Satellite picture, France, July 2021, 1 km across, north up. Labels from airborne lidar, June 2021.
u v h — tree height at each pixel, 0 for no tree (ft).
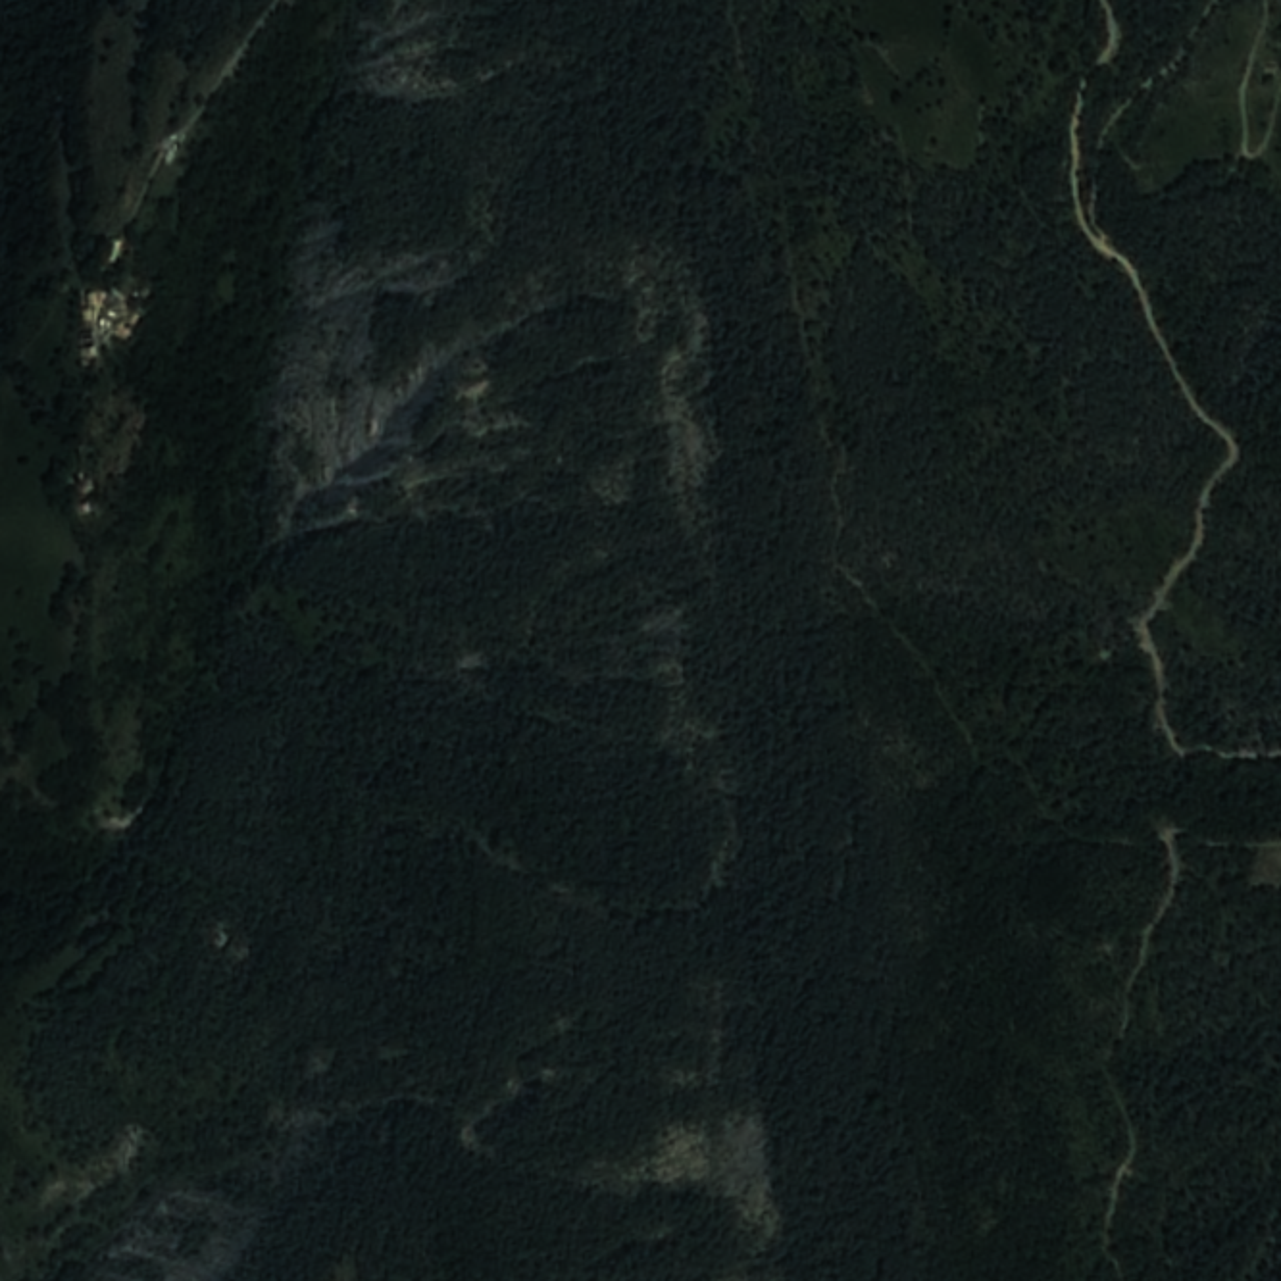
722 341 34
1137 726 39
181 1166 29
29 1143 0
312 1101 23
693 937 36
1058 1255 28
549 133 25
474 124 20
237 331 23
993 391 27
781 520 25
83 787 30
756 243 36
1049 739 36
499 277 21
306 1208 20
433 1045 27
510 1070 17
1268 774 34
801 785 34
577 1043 25
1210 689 52
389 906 24
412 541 28
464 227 23
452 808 24
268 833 33
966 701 31
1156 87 32
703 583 24
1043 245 41
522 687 31
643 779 30
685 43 33
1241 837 28
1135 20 36
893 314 41
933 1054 26
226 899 27
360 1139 27
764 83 33
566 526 25
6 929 50
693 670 22
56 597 27
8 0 54
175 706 33
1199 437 32
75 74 52
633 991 25
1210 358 48
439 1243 27
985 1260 33
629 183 38
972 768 23
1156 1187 30
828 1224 34
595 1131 30
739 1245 19
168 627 35
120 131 0
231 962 19
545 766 31
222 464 47
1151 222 40
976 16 35
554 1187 19
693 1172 0
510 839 37
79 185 42
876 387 44
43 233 46
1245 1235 49
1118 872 27
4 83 42
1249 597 33
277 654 29
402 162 23
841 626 27
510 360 29
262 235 66
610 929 19
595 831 32
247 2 28
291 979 21
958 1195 27
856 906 36
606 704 25
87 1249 20
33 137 45
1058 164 22
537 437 19
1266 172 26
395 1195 39
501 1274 28
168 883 46
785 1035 30
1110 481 29
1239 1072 45
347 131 21
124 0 45
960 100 0
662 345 20
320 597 26
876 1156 34
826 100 30
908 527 34
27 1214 0
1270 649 30
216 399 57
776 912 34
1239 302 44
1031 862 27
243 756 25
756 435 51
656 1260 27
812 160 44
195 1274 0
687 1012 21
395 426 0
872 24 0
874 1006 42
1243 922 26
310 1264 32
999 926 26
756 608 26
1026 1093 22
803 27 54
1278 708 20
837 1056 48
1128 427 29
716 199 45
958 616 31
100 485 30
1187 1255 48
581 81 31
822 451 27
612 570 21
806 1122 47
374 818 38
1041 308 35
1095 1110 21
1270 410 22
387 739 35
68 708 26
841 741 39
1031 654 27
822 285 33
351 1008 23
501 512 19
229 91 29
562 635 30
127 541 39
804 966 38
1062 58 33
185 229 33
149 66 28
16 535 0
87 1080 28
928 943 19
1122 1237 27
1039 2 37
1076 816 32
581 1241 31
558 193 42
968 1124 25
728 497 30
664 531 24
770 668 25
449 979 30
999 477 30
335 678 42
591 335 31
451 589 21
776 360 34
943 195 33
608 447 20
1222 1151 32
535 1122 31
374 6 29
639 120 48
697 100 52
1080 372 31
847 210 42
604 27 40
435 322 24
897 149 37
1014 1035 18
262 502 48
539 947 22
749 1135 0
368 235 27
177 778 38
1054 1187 23
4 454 0
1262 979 34
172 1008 24
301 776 31
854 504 28
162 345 42
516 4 35
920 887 21
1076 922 29
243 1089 21
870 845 34
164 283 35
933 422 43
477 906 34
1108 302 34
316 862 31
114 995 32
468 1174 28
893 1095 34
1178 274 35
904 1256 43
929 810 22
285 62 43
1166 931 38
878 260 31
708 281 28
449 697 28
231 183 40
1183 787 32
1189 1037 27
